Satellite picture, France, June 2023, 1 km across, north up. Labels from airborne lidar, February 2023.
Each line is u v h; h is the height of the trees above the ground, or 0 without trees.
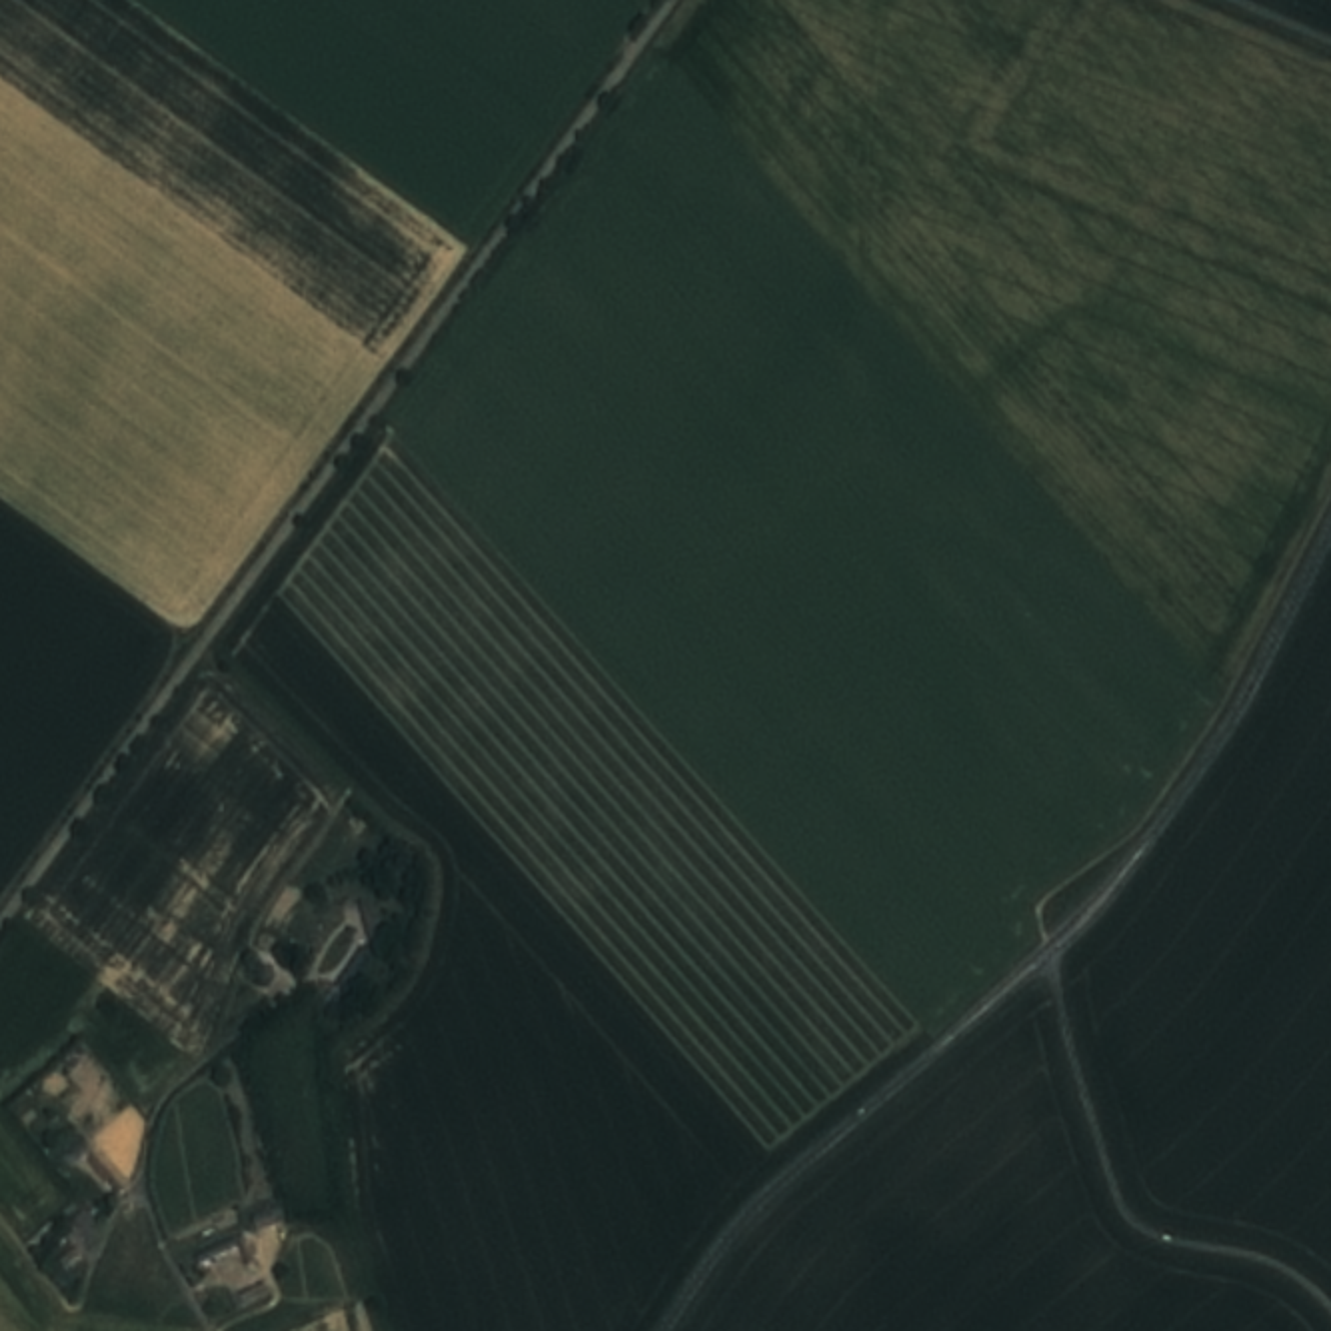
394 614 0
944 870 0
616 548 0
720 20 0
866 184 0
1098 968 0
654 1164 0
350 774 0
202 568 0
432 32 0
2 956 0
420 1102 0
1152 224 0
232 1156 0
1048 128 0
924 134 0
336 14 0
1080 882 0
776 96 0
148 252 0
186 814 0
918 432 0
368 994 21
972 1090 0
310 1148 0
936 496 0
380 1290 0
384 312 0
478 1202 0
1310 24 0
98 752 0
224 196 0
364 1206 0
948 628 0
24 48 0
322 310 0
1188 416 0
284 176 0
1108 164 0
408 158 0
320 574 0
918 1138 0
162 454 0
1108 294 0
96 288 0
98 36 0
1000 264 0
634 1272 0
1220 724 0
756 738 0
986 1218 0
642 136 0
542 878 0
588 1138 0
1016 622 0
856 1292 0
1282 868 0
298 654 0
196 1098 0
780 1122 0
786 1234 0
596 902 0
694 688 0
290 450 0
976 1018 0
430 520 0
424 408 0
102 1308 0
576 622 0
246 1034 10
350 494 0
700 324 0
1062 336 0
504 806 0
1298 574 0
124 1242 0
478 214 0
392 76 0
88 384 0
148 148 0
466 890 0
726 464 0
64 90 0
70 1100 0
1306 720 0
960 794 0
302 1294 0
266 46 0
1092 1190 0
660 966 0
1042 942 0
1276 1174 0
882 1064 0
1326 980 0
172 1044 0
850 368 0
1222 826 0
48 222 0
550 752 0
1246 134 0
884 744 0
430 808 0
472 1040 0
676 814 0
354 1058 0
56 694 0
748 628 0
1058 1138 0
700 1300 0
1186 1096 0
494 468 0
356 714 0
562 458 0
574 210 0
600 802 0
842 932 0
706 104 0
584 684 0
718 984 0
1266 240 0
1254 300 0
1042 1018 0
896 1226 0
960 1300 0
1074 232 0
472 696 0
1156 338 0
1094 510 0
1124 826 0
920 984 0
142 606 0
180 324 0
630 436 0
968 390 0
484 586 0
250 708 0
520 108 0
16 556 0
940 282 0
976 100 0
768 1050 0
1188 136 0
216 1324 0
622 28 0
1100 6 0
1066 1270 0
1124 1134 0
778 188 0
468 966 0
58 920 0
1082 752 0
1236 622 0
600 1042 0
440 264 0
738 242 0
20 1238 0
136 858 0
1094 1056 0
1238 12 0
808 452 0
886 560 0
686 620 0
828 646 0
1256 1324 0
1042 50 0
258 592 0
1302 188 0
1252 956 0
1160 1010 0
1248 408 0
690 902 0
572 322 0
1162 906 0
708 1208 0
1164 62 0
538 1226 0
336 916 0
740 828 0
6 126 0
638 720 0
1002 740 0
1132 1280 0
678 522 0
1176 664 0
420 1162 0
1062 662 0
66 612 0
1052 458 0
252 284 0
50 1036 0
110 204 0
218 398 0
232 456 0
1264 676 0
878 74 0
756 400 0
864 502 0
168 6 0
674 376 0
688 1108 0
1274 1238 0
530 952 0
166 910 0
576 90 0
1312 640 0
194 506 0
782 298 0
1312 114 0
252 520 0
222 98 0
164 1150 0
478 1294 0
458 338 0
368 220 0
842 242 0
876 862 0
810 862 0
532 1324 0
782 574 0
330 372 0
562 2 0
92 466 0
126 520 0
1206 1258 0
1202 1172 0
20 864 0
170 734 0
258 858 0
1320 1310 0
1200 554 0
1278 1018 0
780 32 0
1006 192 0
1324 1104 0
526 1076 0
